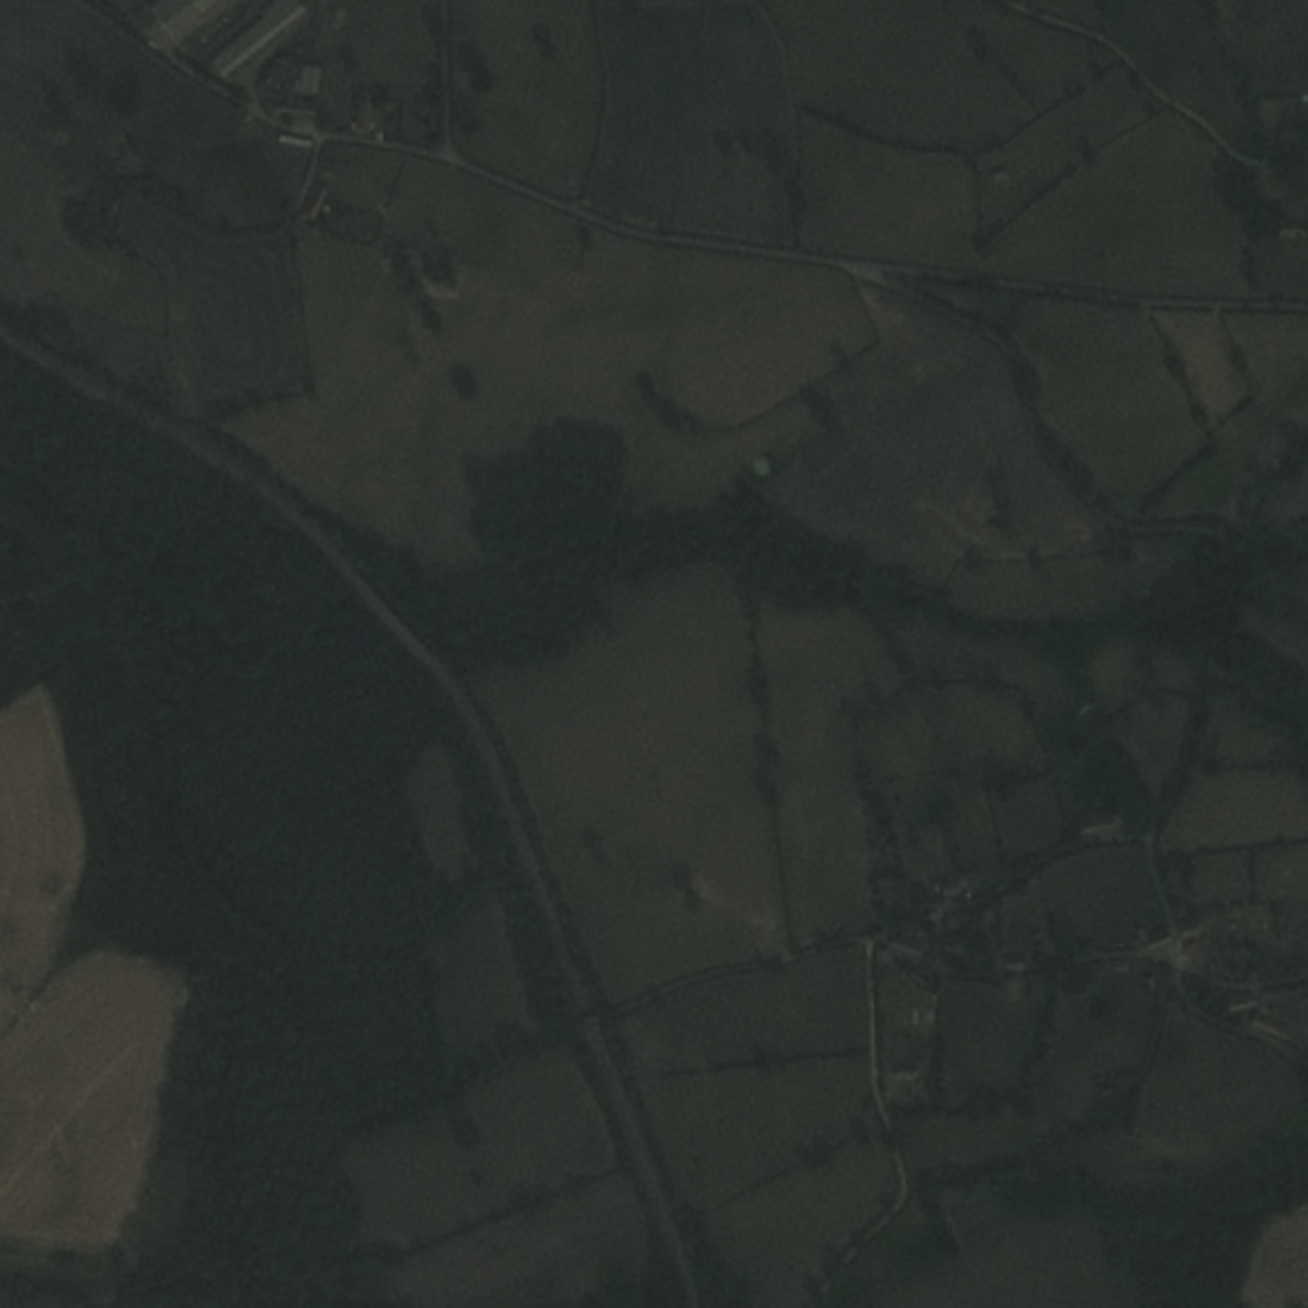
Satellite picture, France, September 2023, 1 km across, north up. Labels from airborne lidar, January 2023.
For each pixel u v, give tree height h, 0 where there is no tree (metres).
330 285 0
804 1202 0
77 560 0
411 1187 0
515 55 0
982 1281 0
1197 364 0
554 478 20
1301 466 12
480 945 0
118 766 7
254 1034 18
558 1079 0
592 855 17
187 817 18
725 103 0
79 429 22
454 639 19
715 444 0
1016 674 0
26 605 12
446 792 0
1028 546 0
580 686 0
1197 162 0
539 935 18
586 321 0
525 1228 0
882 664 0
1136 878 0
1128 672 0
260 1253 19
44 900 0
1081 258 0
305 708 24
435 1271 0
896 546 0
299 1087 28
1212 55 0
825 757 0
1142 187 0
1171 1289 27
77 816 0
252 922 26
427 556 0
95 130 0
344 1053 23
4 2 0
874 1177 0
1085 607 0
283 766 22
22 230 0
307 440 0
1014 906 0
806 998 0
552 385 0
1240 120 0
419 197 0
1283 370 0
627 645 0
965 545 0
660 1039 0
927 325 0
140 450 22
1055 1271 0
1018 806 0
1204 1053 0
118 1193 0
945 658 0
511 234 0
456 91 0
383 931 18
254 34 0
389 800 14
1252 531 7
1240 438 0
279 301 0
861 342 0
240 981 21
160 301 0
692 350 0
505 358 0
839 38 0
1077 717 0
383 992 18
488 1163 0
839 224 0
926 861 0
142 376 14
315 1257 14
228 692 8
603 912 0
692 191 0
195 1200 16
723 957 0
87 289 0
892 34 0
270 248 0
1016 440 0
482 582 0
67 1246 0
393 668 24
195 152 0
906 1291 0
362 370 0
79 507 23
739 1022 0
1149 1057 0
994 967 10
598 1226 0
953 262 0
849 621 0
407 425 0
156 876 15
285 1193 24
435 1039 17
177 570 22
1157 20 0
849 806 0
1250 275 17
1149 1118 0
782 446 0
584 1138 0
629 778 0
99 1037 0
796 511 0
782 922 0
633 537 20
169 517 25
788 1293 0
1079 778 0
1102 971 0
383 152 0
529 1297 0
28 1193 0
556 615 24
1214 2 12
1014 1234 0
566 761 0
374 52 0
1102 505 14
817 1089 0
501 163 0
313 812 21
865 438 0
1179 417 0
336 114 0
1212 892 0
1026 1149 0
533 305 0
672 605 0
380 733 21
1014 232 0
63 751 0
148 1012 0
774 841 0
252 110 0
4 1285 7
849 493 0
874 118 0
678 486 0
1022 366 7
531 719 0
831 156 0
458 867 0
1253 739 0
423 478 0
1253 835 0
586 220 0
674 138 0
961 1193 15
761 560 6
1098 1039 0
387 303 0
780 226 0
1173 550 0
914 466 0
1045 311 0
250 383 0
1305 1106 0
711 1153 0
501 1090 0
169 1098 16
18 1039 0
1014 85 11
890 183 0
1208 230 0
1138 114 0
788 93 0
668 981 0
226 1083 20
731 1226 0
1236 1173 0
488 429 0
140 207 0
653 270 0
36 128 0
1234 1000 0
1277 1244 0
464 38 0
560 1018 18
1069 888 0
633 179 0
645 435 0
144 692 17
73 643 0
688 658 0
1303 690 13
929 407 0
